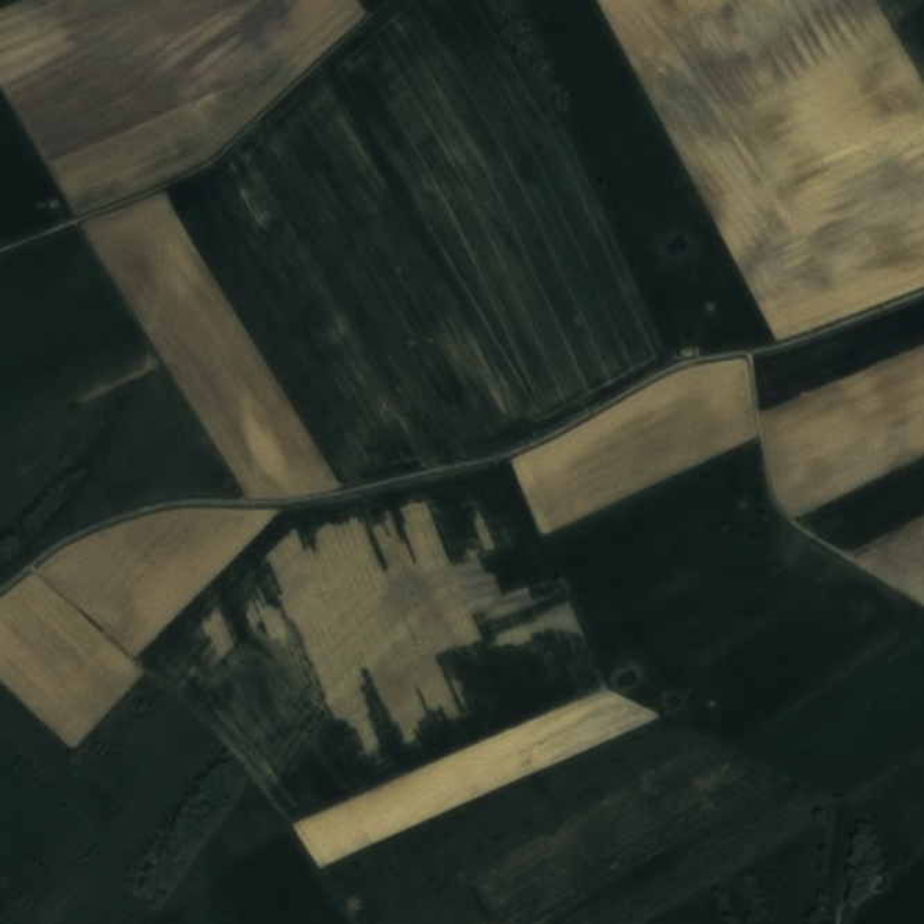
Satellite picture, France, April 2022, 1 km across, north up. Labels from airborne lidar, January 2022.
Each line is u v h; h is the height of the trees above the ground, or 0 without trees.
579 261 0
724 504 0
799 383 0
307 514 0
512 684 0
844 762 0
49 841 0
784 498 0
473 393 0
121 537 0
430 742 0
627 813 0
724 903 10
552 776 0
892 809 0
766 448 0
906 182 0
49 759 0
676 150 0
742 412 0
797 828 0
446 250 0
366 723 0
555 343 0
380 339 0
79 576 0
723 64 0
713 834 0
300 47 0
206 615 0
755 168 0
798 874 0
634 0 0
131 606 0
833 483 0
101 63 0
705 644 0
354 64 0
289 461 0
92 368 0
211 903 0
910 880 0
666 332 0
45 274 0
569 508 0
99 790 0
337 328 0
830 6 0
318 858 0
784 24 0
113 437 0
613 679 0
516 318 0
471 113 0
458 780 0
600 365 0
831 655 0
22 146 0
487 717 0
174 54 0
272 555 0
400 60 0
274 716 0
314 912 0
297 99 0
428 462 0
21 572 0
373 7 0
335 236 0
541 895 0
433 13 0
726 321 0
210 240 0
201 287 0
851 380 0
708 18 0
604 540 0
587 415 0
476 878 0
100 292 0
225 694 0
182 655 0
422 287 0
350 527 0
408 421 0
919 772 0
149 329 0
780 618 0
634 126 0
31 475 0
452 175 0
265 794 0
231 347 0
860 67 0
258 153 0
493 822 0
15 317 0
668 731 0
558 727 0
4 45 0
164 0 0
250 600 0
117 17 0
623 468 0
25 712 0
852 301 0
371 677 0
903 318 0
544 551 0
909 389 0
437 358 0
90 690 0
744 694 0
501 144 0
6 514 0
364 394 0
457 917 0
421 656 0
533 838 0
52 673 0
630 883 0
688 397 0
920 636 0
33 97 0
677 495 0
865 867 14
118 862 0
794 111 0
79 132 0
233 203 0
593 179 0
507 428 0
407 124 0
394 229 0
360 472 0
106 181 0
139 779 0
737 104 0
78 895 0
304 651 0
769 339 0
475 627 0
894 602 0
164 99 0
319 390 0
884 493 0
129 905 0
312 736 0
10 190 0
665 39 0
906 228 0
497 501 0
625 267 0
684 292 0
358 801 0
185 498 0
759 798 0
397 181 0
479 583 0
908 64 0
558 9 0
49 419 0
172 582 0
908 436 0
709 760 0
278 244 0
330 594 0
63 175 0
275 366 0
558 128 0
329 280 0
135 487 0
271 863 0
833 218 0
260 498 0
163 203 0
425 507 0
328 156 0
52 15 0
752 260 0
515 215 0
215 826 14
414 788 0
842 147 0
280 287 0
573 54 0
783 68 0
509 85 0
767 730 0
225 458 0
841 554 0
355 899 0
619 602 0
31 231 0
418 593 0
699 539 0
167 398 0
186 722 0
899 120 0
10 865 0
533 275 0
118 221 0
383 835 0
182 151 0
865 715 0
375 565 0
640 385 0
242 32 0
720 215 0
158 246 0
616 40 0
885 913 0
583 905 0
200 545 0
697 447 0
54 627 0
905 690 0
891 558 0
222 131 0
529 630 0
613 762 0
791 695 0
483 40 0
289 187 0
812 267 0
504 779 0
